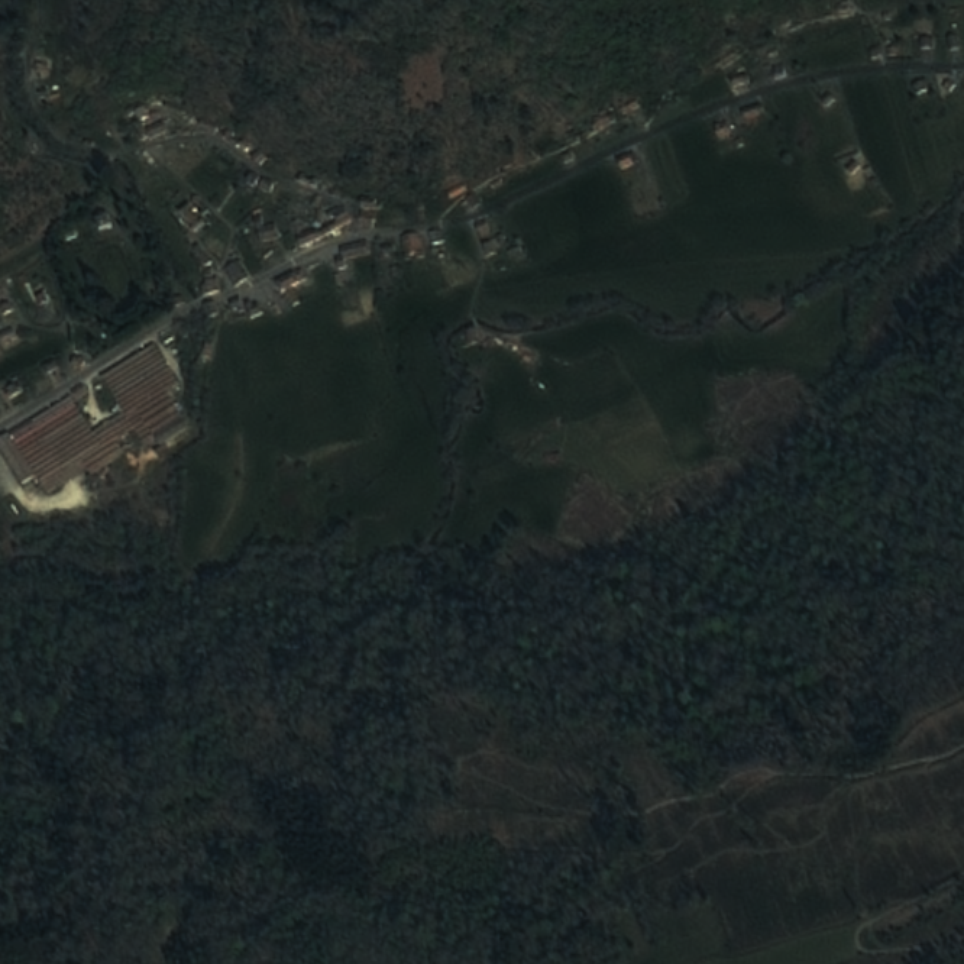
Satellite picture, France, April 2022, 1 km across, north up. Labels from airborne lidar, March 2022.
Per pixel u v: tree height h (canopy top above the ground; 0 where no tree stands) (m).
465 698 27
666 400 0
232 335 0
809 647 29
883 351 0
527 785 0
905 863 0
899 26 0
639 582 33
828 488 26
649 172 0
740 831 0
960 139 0
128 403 0
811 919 0
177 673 28
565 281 0
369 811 24
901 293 7
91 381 0
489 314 0
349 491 0
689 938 0
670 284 0
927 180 0
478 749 0
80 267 0
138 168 0
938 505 25
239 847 28
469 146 16
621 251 0
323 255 0
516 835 0
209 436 0
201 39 14
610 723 28
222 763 25
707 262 0
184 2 25
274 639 23
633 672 34
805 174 0
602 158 0
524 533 36
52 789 29
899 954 0
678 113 0
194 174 0
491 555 14
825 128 0
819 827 0
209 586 28
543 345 0
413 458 0
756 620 18
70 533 17
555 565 0
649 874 0
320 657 27
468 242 0
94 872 25
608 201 0
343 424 0
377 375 0
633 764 0
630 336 0
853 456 27
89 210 10
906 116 0
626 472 0
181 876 33
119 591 28
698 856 0
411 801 10
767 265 0
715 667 31
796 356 0
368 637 25
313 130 13
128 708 10
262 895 10
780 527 24
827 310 0
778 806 0
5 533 0
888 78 0
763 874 0
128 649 32
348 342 0
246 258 0
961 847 0
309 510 0
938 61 0
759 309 0
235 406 0
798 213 0
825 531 26
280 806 25
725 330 0
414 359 0
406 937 30
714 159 0
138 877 28
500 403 0
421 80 0
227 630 13
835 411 19
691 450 0
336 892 24
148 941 30
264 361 0
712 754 17
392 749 27
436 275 0
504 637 28
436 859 18
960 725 0
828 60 0
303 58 15
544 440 0
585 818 0
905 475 31
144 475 0
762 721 13
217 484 0
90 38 17
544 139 0
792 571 24
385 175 13
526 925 32
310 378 0
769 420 0
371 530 0
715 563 20
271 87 20
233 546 0
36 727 19
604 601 31
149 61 21
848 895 0
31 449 0
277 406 0
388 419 0
